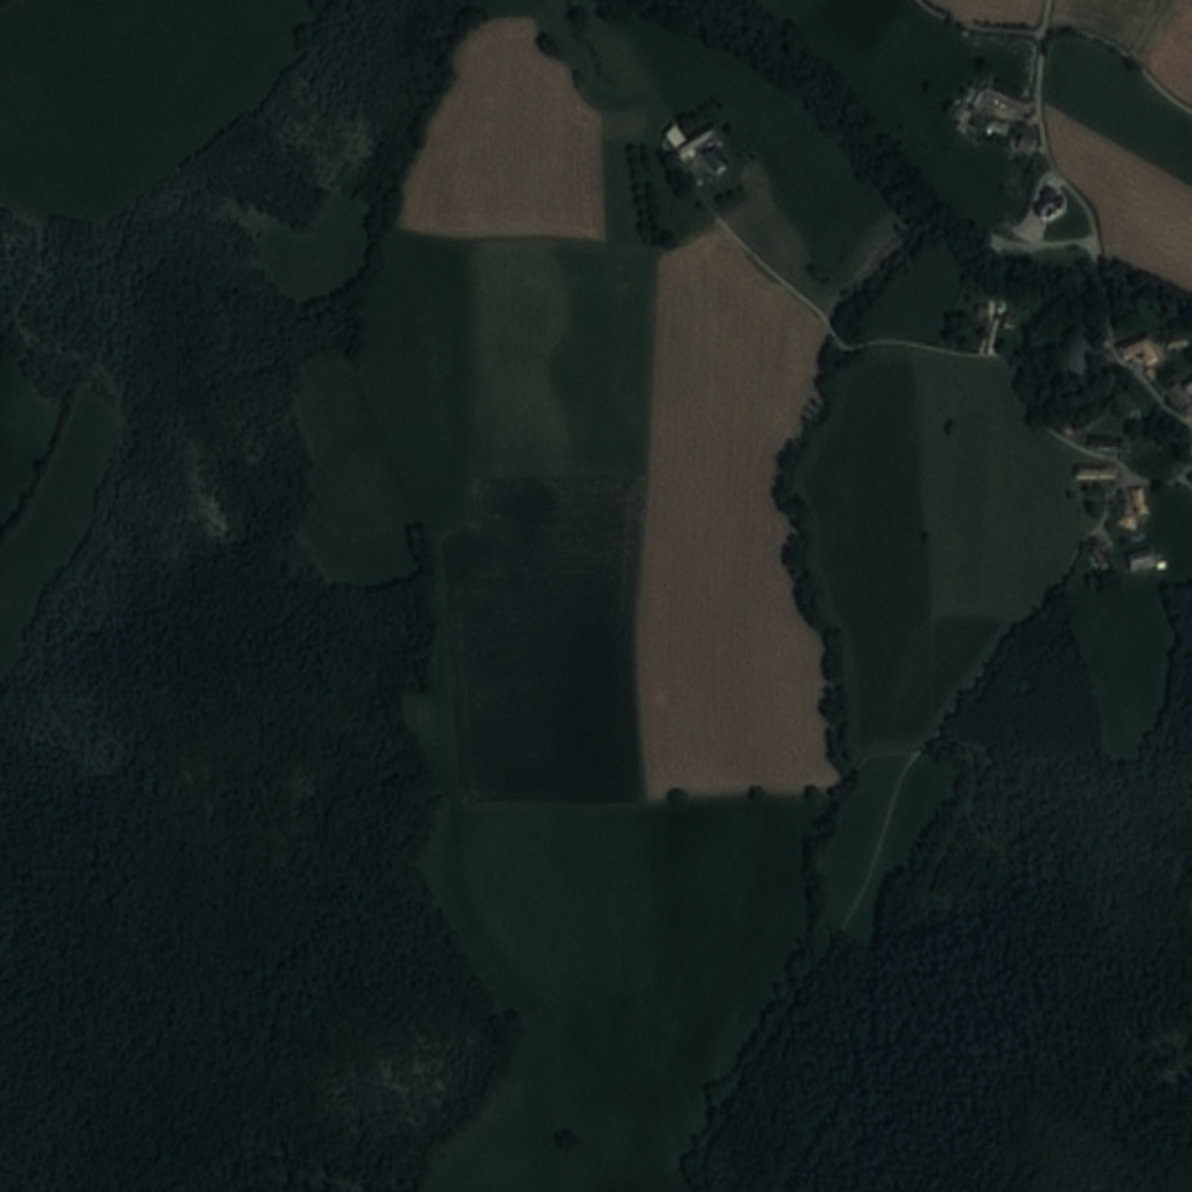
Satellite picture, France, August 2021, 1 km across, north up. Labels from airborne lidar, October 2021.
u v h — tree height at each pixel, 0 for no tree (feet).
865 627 0
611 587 0
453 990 57
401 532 0
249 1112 74
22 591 0
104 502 25
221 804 25
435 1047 21
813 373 0
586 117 0
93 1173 66
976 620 0
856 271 0
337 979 54
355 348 45
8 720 38
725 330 0
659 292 0
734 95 0
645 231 34
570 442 0
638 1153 0
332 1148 65
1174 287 43
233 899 74
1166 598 29
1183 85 0
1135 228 0
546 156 0
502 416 0
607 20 63
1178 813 33
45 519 0
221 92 0
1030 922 86
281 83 28
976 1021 89
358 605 54
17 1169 62
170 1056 56
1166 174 0
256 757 49
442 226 0
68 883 72
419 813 73
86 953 64
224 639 88
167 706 34
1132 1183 57
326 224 0
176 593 48
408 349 0
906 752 0
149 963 49
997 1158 53
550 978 0
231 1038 68
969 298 23
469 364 0
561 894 0
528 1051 0
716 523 0
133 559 21
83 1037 51
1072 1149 36
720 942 0
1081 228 0
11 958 39
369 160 28
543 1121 0
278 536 63
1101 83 0
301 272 0
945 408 0
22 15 0
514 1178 0
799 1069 59
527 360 0
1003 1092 63
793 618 0
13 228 28
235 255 35
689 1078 0
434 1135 42
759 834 0
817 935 49
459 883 0
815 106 33
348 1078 33
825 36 0
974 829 27
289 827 27
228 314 40
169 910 70
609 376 0
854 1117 40
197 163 28
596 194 0
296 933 49
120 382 23
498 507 0
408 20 55
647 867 0
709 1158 55
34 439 0
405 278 0
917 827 0
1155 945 64
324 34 39
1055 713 33
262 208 63
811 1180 68
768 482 0
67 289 25
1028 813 41
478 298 0
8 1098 73
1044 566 0
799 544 61
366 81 27
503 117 0
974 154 0
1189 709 33
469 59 0
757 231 0
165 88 0
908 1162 76
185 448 18
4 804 45
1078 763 26
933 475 0
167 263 62
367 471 0
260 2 0
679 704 0
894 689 0
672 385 0
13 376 0
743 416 0
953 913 31
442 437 0
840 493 0
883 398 0
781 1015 55
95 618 29
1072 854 38
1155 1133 71
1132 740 0
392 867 62
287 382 30
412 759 70
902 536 0
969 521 0
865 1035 50
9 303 29
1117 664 0
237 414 24
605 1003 0
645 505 0
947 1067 93
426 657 50
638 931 0
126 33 0
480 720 0
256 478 22
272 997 88
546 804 0
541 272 0
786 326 0
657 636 0
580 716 0
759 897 0
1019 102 0
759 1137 68
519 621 0
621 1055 0
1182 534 0
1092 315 89
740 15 57
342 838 65
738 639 0
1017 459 0
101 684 41
